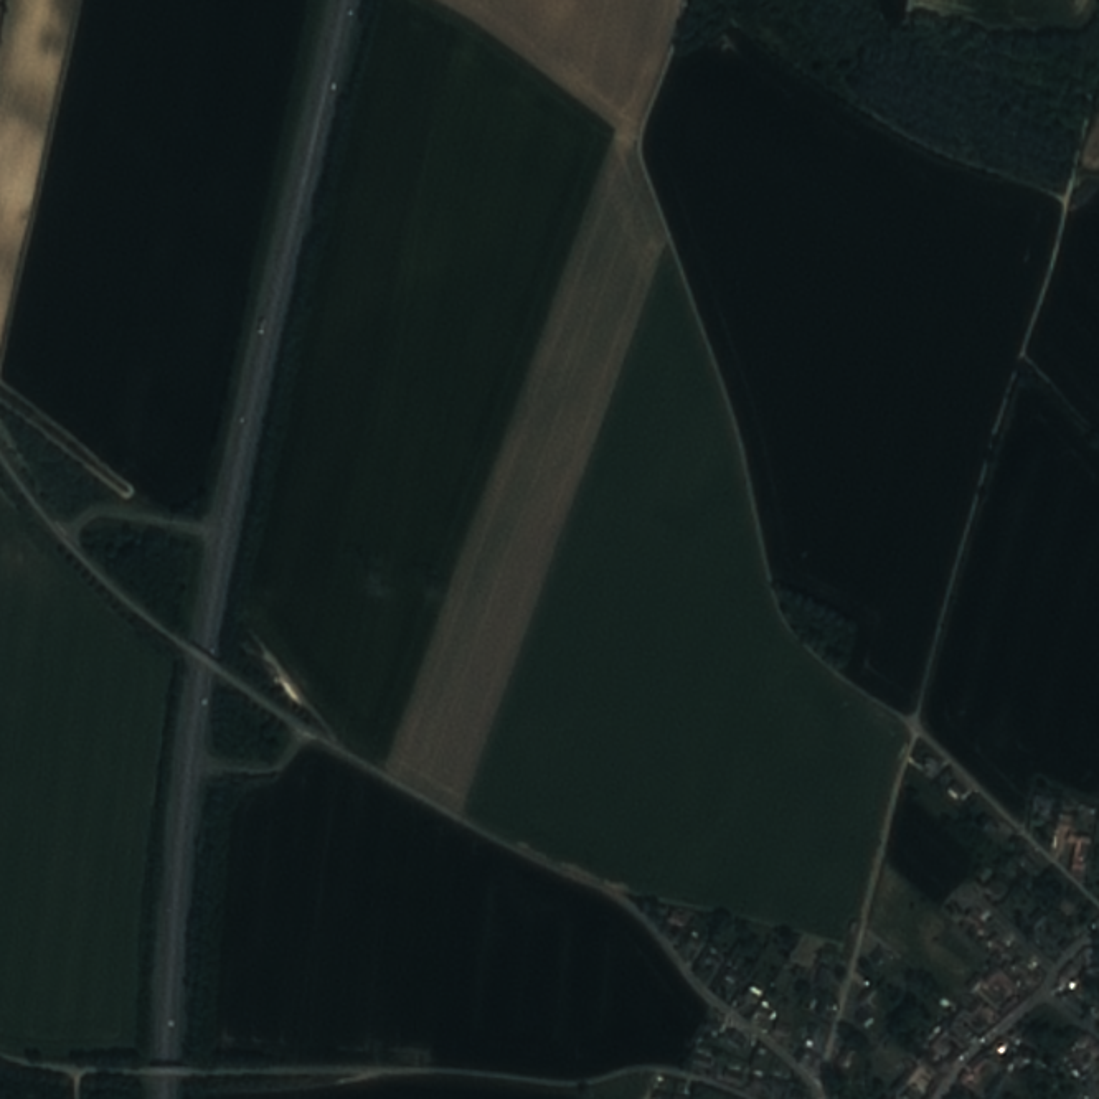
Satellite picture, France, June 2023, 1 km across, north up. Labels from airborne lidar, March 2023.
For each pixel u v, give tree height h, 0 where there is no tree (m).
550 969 0
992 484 0
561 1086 0
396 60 0
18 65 0
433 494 0
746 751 0
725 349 0
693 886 0
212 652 0
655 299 0
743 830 0
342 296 0
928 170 0
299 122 0
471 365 0
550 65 0
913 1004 15
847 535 0
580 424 0
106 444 0
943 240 0
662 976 0
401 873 0
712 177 0
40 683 0
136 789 0
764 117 0
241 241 0
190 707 0
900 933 0
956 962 0
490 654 0
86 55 0
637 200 0
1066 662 0
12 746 0
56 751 0
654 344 0
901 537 0
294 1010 0
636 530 0
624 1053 0
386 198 0
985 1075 0
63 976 0
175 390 0
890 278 0
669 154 0
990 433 0
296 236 0
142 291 0
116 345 0
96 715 0
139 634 9
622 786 0
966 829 7
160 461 0
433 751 0
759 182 0
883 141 0
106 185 0
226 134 0
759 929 0
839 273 0
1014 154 17
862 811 0
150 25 0
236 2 0
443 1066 0
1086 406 0
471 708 0
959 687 0
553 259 0
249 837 0
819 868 0
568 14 0
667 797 0
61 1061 0
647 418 0
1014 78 14
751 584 0
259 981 0
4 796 0
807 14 8
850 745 0
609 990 0
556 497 0
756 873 0
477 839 0
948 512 0
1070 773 0
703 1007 0
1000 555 0
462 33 0
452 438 0
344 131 11
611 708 0
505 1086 0
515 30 0
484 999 0
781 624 0
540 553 0
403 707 0
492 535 0
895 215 0
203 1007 14
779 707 0
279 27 0
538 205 0
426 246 0
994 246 0
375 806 0
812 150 0
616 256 0
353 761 0
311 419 0
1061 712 0
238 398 0
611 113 0
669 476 0
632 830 0
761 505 0
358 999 0
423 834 0
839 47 8
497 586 0
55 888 0
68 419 0
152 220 0
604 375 0
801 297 0
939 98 14
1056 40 19
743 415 0
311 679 0
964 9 0
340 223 0
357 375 0
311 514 0
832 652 15
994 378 0
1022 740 0
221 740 9
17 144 0
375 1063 0
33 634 0
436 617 0
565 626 0
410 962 0
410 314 0
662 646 0
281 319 0
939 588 0
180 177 0
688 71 0
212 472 0
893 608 0
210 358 0
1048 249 0
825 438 0
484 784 0
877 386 0
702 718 0
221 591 0
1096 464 0
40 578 0
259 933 0
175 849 0
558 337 0
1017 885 10
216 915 14
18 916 0
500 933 0
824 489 0
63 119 0
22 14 0
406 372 0
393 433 0
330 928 0
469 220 0
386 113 0
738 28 0
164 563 14
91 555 7
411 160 0
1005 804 0
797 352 0
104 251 0
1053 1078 8
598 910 0
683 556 0
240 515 0
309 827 0
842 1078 16
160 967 0
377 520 0
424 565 0
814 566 0
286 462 0
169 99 0
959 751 0
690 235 0
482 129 0
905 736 0
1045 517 0
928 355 0
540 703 0
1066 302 0
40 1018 0
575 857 0
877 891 0
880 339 0
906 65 15
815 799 0
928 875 0
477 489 0
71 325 0
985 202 0
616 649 0
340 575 0
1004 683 0
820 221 0
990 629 0
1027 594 0
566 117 0
